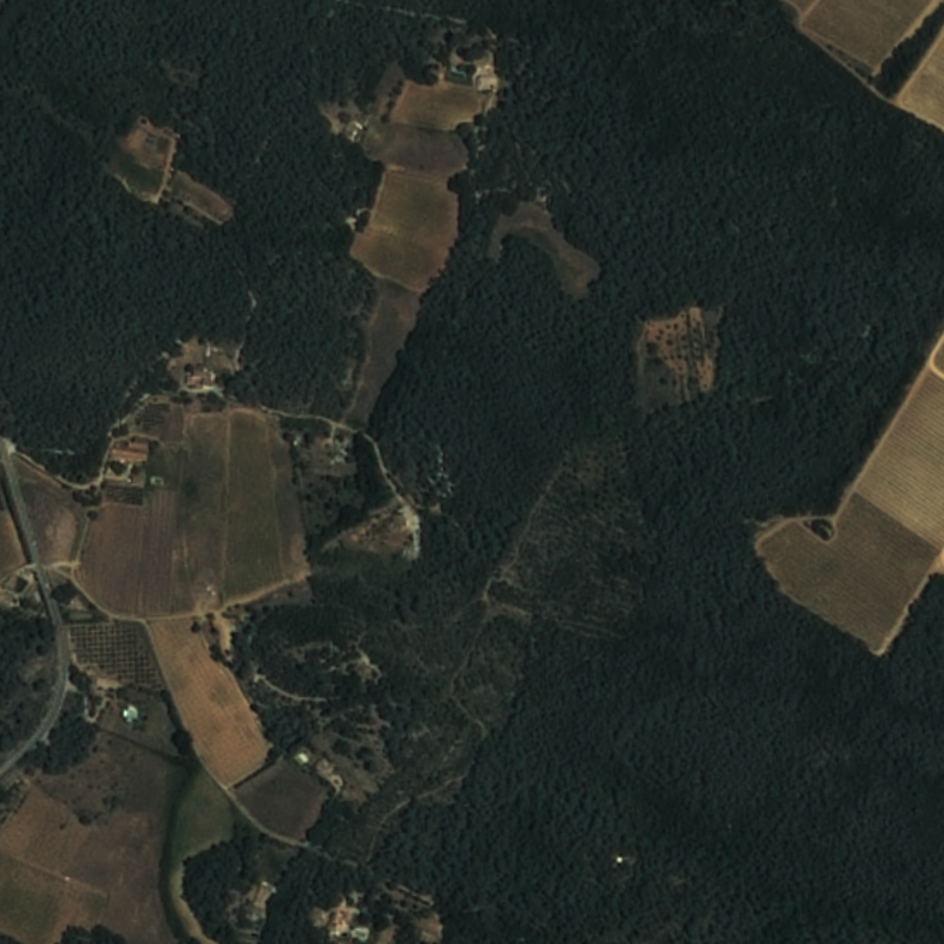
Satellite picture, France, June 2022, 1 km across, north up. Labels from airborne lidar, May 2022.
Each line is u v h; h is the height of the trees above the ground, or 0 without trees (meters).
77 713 8
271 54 17
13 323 17
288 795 0
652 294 15
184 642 0
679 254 16
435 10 8
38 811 0
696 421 17
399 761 16
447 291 14
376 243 0
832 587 0
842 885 13
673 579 15
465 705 7
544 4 9
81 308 13
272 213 12
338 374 7
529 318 16
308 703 9
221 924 14
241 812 0
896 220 10
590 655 9
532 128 21
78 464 8
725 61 8
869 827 15
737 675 8
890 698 15
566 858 19
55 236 16
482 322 18
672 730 16
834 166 8
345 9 13
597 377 16
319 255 15
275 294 14
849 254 18
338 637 10
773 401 11
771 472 16
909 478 0
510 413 15
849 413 17
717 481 14
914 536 0
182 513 0
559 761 19
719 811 13
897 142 10
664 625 9
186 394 7
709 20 16
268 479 0
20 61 10
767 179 16
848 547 0
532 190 10
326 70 18
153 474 0
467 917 16
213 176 13
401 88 6
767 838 14
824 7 0
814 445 20
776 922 23
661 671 11
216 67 16
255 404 18
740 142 7
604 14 8
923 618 18
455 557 7
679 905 17
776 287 12
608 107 18
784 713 17
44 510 0
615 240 20
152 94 6
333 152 12
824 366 8
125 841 0
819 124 17
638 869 9
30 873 0
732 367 17
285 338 12
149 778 0
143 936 0
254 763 0
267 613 9
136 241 17
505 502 11
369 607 6
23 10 10
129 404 12
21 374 16
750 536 12
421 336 10
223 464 0
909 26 0
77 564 0
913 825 8
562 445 16
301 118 20
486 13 13
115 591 0
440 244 0
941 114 0
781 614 15
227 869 19
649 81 13
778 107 12
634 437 15
